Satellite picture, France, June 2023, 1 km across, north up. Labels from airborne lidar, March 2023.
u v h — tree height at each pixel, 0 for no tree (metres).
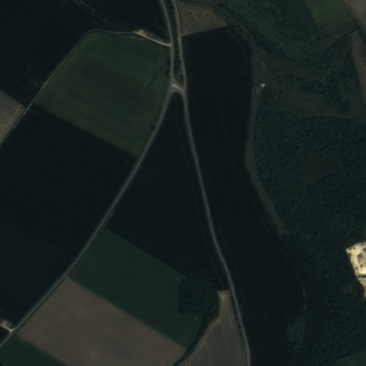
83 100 0
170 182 0
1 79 0
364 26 0
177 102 0
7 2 0
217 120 0
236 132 0
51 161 0
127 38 0
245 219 0
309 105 0
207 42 0
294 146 12
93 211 0
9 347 0
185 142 0
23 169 0
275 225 8
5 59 0
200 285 26
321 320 26
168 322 0
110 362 0
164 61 0
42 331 0
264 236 0
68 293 0
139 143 0
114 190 0
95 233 0
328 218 12
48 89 0
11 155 0
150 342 0
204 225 0
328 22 0
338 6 0
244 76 0
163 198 0
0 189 0
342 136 13
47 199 0
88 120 0
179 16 0
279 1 0
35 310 0
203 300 26
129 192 0
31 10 0
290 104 0
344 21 0
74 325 0
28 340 0
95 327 0
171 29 0
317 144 13
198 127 0
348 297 18
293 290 0
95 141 0
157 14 0
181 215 0
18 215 0
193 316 0
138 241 0
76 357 0
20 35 0
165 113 0
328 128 14
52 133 0
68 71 0
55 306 0
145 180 0
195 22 0
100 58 0
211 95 0
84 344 0
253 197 0
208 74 0
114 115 0
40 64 0
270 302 0
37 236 0
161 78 0
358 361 0
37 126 0
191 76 0
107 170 0
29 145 0
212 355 0
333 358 10
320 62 6
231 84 0
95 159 0
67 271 0
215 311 22
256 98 0
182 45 0
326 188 17
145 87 0
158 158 0
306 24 0
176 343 0
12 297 0
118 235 0
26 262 0
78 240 0
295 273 0
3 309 0
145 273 0
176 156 0
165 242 0
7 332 0
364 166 11
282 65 0
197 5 0
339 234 10
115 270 0
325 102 0
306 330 33
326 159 0
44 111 0
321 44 0
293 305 0
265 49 12
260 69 0
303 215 10
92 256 0
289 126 9
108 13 0
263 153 11
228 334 0
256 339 0
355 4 0
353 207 14
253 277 0
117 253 0
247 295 0
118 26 9
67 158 0
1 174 0
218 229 0
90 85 0
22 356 0
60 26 0
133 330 0
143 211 0
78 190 0
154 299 0
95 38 0
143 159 0
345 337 17
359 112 0
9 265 0
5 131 0
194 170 0
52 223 0
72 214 0
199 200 0
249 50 0
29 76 0
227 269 0
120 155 0
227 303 0
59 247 0
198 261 0
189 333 0
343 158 17
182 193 0
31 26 0
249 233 0
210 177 0
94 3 0
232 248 0
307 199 6
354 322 25
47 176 0
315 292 35
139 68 0
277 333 0
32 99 0
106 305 0
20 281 0
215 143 0
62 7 0
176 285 0
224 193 0
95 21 0
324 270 21
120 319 0
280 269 0
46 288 0
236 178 0
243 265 0
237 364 0
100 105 0
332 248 10
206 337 0
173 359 0
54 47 0
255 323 0
